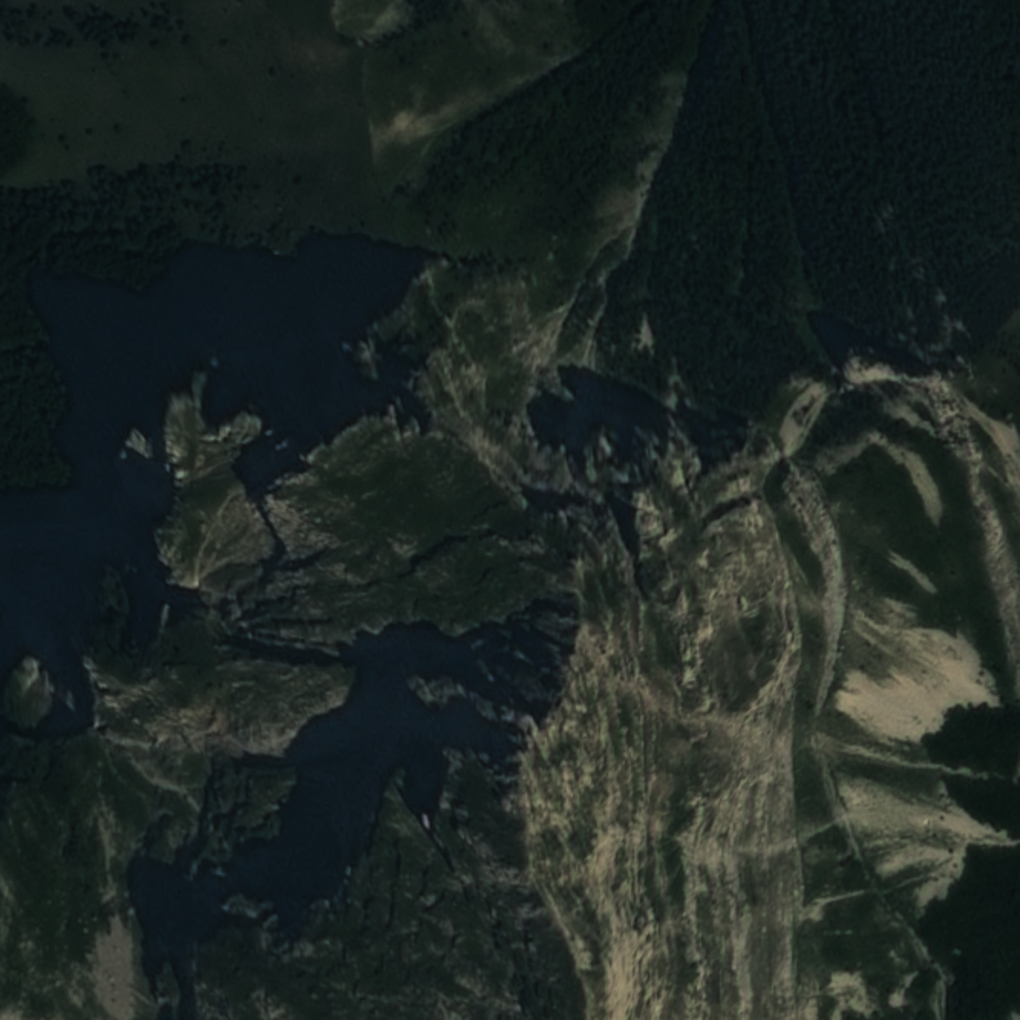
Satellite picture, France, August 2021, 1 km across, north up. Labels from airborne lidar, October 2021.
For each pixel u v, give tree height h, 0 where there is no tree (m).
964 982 8
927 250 7
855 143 24
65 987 0
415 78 0
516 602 0
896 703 0
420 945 0
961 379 0
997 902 6
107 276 17
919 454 0
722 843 0
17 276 21
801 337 10
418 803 0
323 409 0
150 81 0
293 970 0
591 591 0
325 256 0
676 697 0
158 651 0
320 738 0
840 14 19
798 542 0
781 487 0
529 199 0
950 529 0
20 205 9
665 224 7
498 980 0
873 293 7
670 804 0
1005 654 0
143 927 0
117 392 12
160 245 8
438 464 0
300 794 0
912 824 0
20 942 0
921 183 8
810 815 0
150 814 0
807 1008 0
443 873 0
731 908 0
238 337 0
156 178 8
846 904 0
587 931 0
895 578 0
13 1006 0
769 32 23
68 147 7
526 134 12
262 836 0
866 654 0
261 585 0
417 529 0
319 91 0
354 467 0
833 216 7
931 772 0
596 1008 0
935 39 19
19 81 0
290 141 0
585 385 0
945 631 0
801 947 0
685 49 16
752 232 7
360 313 0
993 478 0
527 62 0
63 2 0
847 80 20
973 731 7
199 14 0
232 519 0
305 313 0
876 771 0
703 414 0
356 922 0
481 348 0
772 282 8
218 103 0
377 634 0
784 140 15
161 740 0
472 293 0
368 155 0
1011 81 16
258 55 0
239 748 0
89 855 0
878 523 0
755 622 0
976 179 7
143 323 12
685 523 0
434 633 0
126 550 0
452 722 0
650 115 10
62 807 0
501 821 0
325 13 0
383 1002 0
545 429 0
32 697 0
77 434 25
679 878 0
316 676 0
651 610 0
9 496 10
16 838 0
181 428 0
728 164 16
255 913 0
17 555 7
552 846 0
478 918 0
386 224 0
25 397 19
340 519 0
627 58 8
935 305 6
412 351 0
